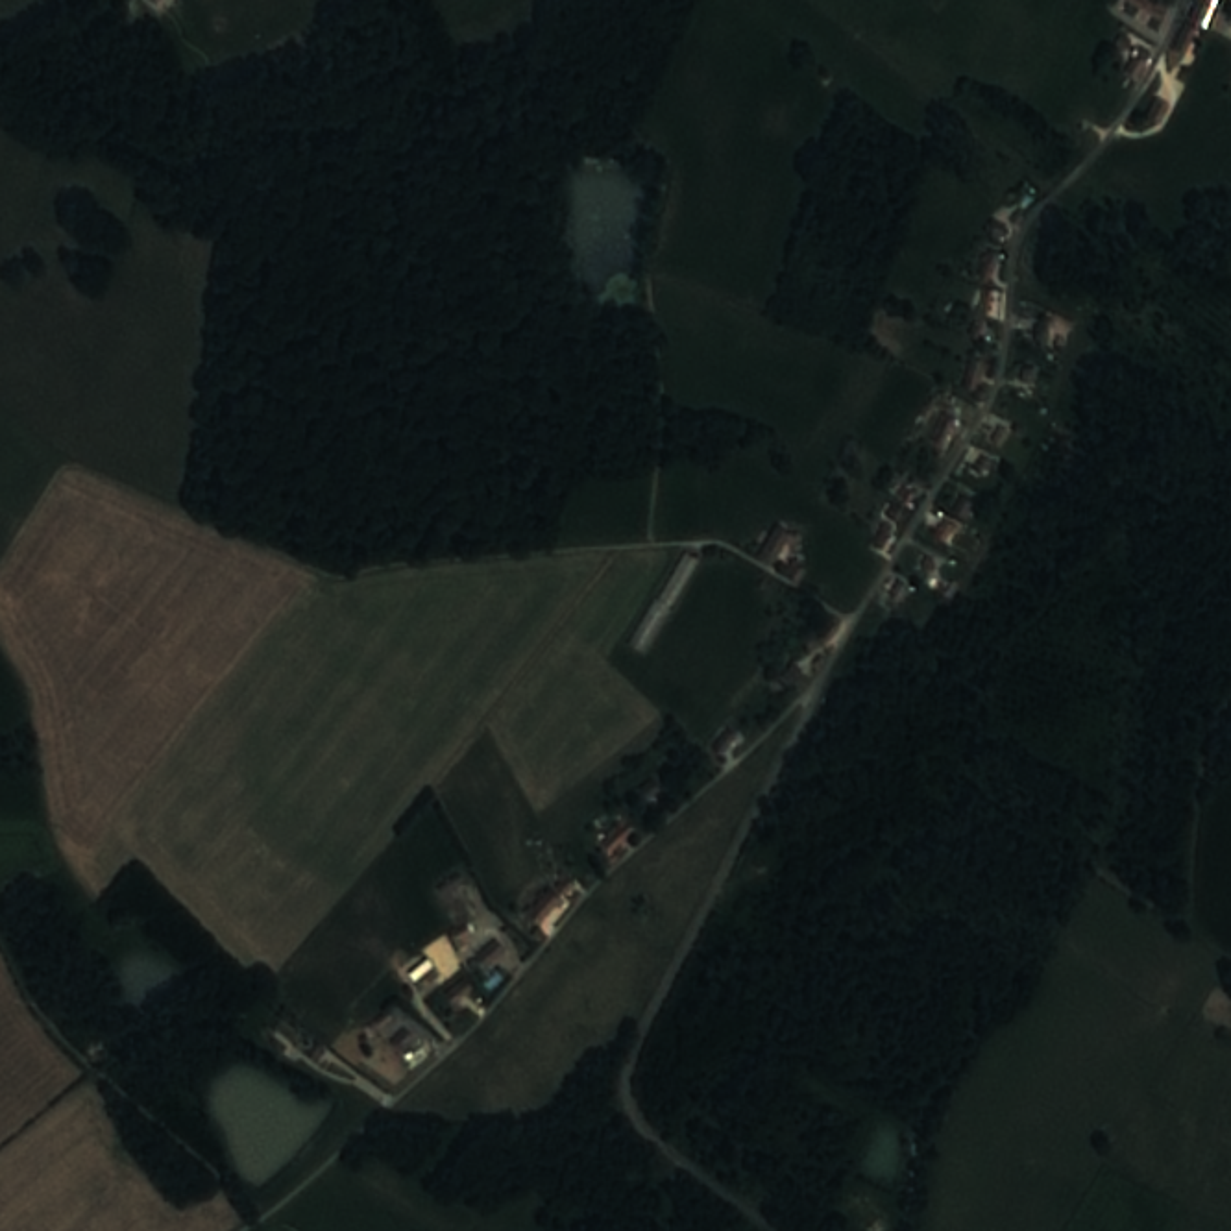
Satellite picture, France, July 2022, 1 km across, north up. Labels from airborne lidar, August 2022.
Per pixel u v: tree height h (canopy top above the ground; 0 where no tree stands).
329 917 0
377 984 0
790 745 0
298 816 0
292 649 0
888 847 21
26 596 0
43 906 21
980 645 23
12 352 0
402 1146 18
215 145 23
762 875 0
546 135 26
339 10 27
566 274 19
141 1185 0
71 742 0
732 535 0
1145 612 23
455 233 28
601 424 21
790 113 0
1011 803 17
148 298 0
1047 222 0
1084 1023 0
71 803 0
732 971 8
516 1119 19
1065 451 9
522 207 27
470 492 18
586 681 0
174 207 20
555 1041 0
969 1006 0
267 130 22
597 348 25
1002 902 30
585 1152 22
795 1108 8
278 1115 0
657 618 0
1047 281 17
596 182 0
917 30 0
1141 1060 0
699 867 0
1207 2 0
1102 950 0
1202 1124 0
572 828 0
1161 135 0
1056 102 0
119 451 0
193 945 14
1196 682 7
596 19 22
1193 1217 0
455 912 0
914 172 20
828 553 0
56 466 0
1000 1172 0
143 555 0
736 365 0
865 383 0
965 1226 0
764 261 0
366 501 21
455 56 12
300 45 15
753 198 0
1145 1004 0
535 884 0
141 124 27
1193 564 21
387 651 0
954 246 0
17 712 0
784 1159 10
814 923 24
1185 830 8
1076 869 7
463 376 24
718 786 0
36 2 0
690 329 0
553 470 22
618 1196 19
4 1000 0
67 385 0
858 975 15
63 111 21
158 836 0
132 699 0
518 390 27
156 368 0
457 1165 18
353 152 25
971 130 29
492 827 0
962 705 20
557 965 0
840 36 0
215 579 0
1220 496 18
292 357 27
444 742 0
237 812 0
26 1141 0
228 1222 0
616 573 0
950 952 21
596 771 0
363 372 25
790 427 0
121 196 0
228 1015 15
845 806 9
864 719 28
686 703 0
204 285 0
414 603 0
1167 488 32
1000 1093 0
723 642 0
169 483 0
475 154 27
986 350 9
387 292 23
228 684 0
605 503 0
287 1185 0
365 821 0
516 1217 0
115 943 0
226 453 25
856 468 14
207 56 0
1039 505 31
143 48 19
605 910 0
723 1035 14
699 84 0
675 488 0
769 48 0
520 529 21
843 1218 14
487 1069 0
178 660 0
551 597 0
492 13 0
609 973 0
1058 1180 0
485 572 0
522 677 0
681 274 0
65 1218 0
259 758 0
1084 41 0
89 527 0
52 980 19
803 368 0
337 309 23
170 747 0
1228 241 18
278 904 0
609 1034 0
